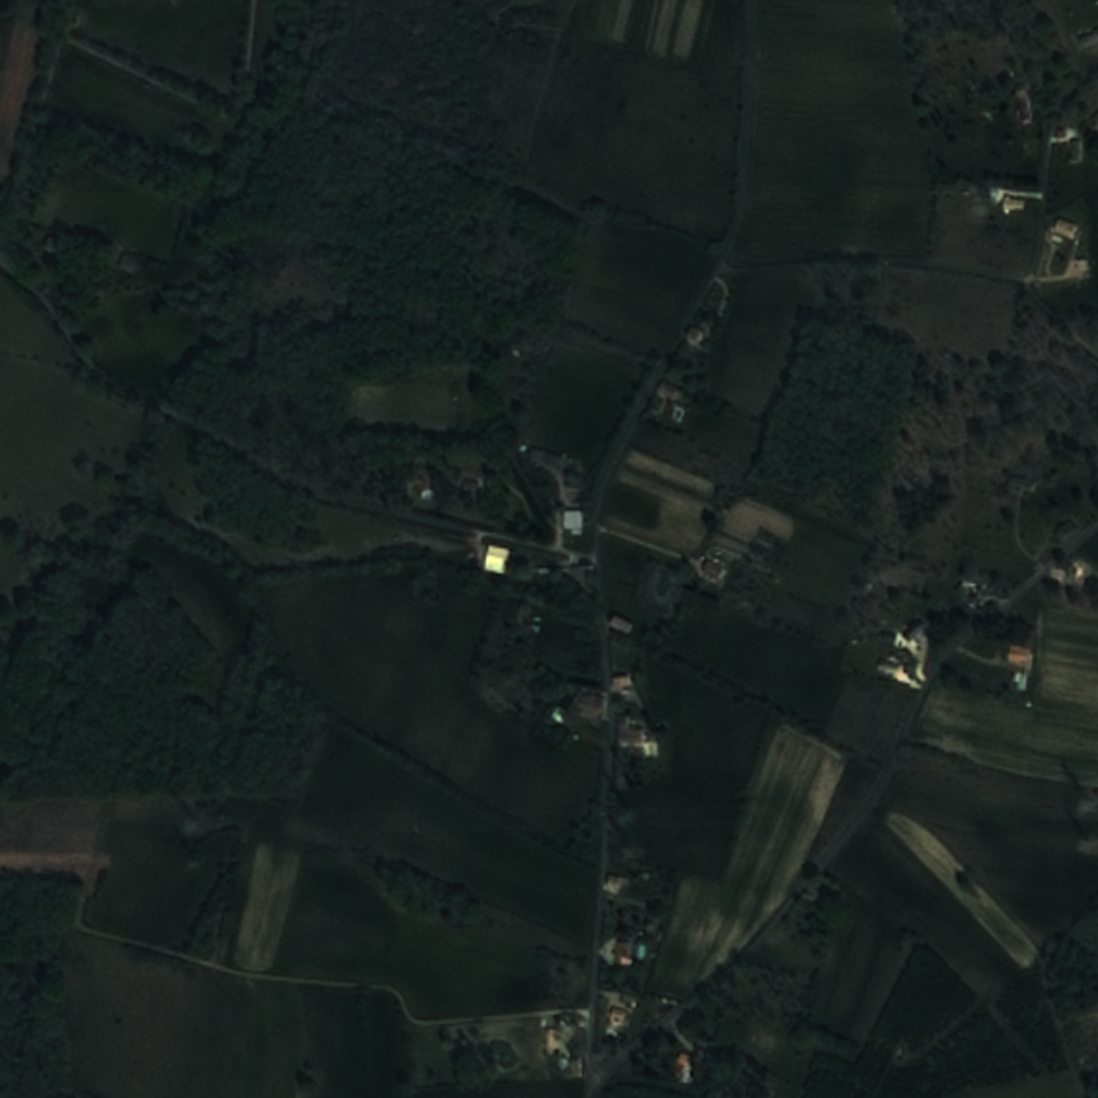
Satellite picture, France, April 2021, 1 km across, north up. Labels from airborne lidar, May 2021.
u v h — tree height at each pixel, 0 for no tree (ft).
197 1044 0
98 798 48
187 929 0
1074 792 0
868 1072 24
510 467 46
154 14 0
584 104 0
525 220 63
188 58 0
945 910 0
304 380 65
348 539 0
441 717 0
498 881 0
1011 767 0
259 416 55
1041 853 0
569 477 24
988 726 0
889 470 70
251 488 65
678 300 0
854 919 0
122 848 0
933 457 41
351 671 0
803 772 0
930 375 49
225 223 78
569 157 0
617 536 0
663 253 0
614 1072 0
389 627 0
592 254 0
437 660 0
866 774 0
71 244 74
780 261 0
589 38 0
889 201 0
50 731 74
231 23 0
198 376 79
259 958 0
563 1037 31
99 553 34
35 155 58
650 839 0
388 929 0
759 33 0
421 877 49
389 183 57
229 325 47
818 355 61
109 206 0
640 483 0
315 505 47
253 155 58
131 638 60
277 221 74
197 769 66
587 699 0
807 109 0
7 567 0
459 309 55
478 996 0
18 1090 56
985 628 52
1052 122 32
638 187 0
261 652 70
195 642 61
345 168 53
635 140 0
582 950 0
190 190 49
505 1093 0
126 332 0
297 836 0
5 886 66
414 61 20
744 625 0
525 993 0
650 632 28
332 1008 0
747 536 0
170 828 0
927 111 44
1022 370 54
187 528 48
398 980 0
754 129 0
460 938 0
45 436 0
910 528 48
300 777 59
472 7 24
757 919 0
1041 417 47
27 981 22
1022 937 0
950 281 0
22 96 0
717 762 0
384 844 0
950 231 0
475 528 20
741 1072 68
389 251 60
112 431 0
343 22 26
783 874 0
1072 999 58
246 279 71
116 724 70
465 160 53
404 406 0
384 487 56
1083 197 0
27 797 54
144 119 0
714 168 0
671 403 18
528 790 0
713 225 0
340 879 0
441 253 64
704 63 0
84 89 0
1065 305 0
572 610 71
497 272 33
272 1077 0
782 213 0
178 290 32
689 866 0
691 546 0
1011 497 51
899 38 0
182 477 0
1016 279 0
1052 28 51
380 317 60
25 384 0
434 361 63
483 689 0
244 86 44
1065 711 0
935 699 0
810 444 61
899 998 26
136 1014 0
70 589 59
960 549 31
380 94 20
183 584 0
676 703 0
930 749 24
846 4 0
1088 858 0
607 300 0
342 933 0
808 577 0
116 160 63
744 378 0
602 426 0
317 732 51
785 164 0
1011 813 0
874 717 0
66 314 43
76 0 49
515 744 0
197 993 0
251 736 61
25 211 60
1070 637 0
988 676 0
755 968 63
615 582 0
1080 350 30
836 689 0
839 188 0
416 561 22
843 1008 0
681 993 0
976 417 25
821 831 0
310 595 0
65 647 76
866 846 0
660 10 0
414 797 0
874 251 0
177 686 67
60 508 0
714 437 0
